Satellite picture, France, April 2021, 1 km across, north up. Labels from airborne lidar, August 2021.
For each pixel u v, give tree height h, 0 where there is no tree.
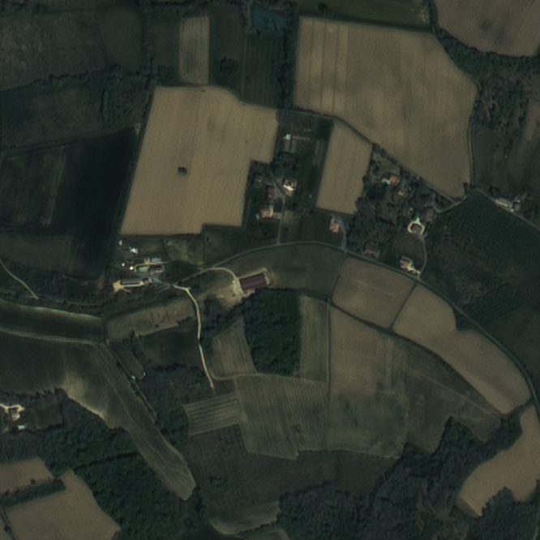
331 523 12
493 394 0
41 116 0
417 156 0
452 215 6
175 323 0
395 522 14
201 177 0
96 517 0
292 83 24
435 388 0
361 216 11
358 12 0
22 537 0
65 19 0
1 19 17
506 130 9
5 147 7
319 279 0
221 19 0
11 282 13
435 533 10
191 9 15
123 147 0
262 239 7
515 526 19
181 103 0
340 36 0
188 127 0
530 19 0
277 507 0
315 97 0
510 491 13
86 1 0
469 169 0
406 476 15
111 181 0
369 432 0
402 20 0
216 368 0
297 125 21
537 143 0
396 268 0
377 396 0
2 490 0
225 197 0
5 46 0
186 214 0
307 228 0
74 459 22
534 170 0
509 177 0
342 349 0
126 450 17
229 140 0
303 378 0
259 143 0
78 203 0
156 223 0
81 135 0
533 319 0
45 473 0
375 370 0
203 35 0
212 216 0
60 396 16
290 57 20
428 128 0
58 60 0
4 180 0
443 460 10
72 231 0
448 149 0
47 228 0
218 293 0
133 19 0
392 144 0
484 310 6
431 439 0
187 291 0
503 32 0
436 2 0
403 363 0
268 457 0
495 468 0
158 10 17
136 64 0
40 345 0
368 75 0
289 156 8
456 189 0
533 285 0
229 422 0
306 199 0
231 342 0
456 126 0
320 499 16
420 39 0
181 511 21
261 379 0
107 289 16
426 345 0
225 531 0
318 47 0
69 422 18
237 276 0
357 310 0
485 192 0
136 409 0
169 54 0
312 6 0
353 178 0
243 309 7
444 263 6
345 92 0
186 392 18
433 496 10
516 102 7
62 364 0
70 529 0
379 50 0
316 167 0
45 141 0
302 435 0
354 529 10
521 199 0
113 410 0
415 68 0
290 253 0
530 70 9
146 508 26
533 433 0
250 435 0
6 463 13
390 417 0
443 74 0
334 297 0
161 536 16
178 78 0
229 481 13
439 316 0
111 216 0
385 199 0
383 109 0
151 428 0
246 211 7
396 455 0
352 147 0
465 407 0
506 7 0
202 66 0
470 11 0
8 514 0
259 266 0
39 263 0
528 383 0
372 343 0
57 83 13
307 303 0
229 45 0
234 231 0
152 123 0
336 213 0
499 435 11
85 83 6
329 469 0
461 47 22
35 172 0
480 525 16
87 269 0
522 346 0
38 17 0
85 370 0
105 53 0
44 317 0
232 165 0
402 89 0
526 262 0
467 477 13
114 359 0
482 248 5
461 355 0
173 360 0
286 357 21
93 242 0
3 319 0
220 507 8
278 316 10
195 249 0
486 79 16
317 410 0
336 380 0
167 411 20
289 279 0
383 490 17
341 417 0
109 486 22
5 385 0
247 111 0
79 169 0
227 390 0
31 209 0
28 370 0
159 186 0
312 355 0
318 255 0
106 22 0
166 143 0
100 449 21
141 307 7
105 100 10
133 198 0
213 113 0
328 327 0
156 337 0
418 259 0
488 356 0
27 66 0
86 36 0
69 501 0
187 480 0
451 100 0
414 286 0
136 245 0
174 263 0
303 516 20
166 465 0
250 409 0
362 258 0
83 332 0
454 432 19
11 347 0
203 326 0
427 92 0
